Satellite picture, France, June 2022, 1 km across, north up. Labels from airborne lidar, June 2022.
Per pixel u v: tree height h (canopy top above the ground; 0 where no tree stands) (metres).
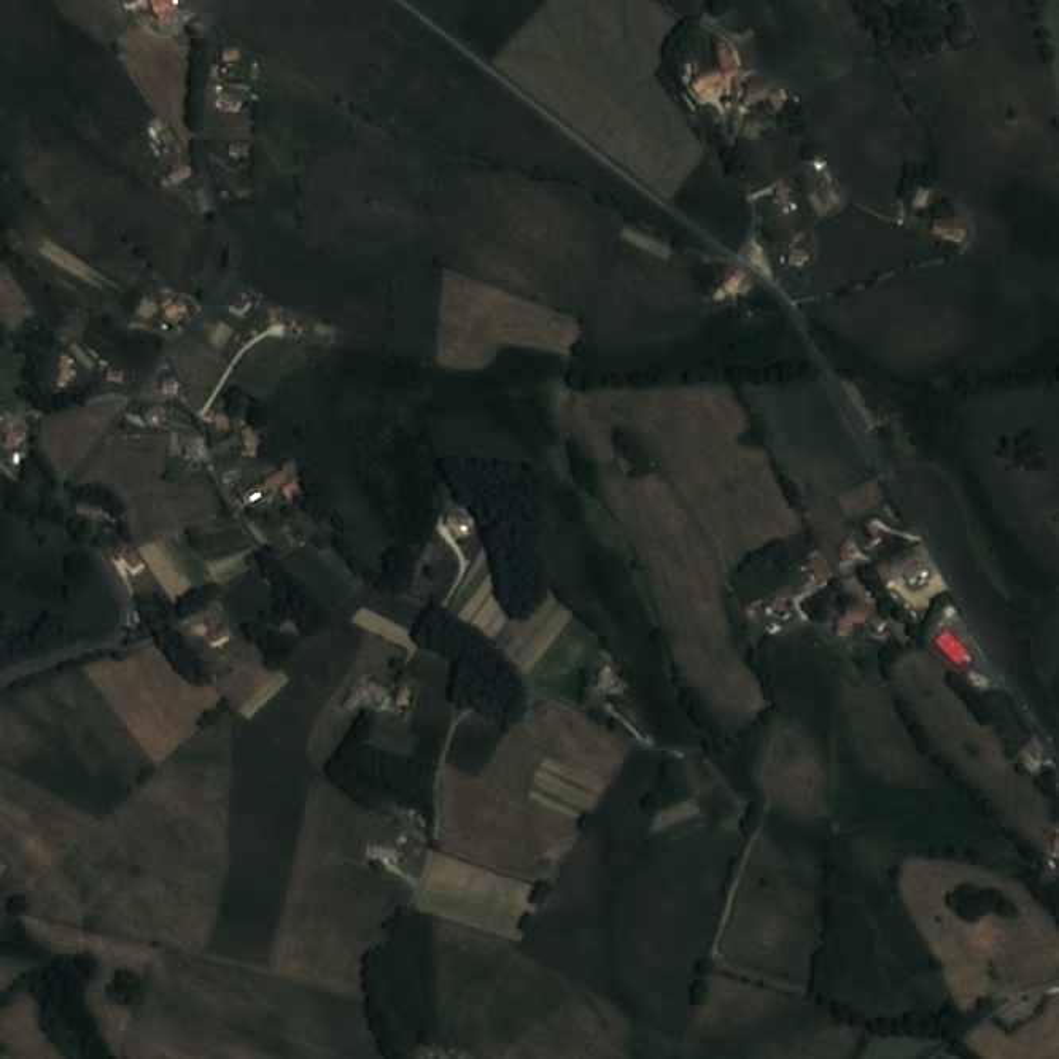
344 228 0
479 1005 0
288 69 0
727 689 0
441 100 0
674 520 0
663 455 0
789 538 0
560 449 0
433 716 0
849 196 0
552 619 0
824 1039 0
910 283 0
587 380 18
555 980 0
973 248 0
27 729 0
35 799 0
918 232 0
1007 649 0
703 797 0
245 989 0
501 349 0
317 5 0
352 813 0
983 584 0
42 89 0
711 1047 0
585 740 0
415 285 0
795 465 0
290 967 0
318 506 22
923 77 0
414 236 0
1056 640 0
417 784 14
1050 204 0
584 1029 0
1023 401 0
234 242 0
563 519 0
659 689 0
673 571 0
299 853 0
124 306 0
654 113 0
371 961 16
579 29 0
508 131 0
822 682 0
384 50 0
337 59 0
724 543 0
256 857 0
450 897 0
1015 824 0
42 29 0
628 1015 0
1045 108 0
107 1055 13
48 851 0
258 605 0
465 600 0
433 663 0
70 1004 13
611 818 0
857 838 0
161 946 8
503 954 0
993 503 0
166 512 0
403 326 0
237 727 0
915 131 0
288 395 0
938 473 0
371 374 0
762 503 0
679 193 0
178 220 0
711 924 0
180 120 0
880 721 0
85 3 0
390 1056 18
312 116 0
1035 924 0
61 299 0
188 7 0
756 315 0
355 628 0
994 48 0
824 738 0
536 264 0
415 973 0
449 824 0
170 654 23
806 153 10
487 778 0
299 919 0
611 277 0
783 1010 0
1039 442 21
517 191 0
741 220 0
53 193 0
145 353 0
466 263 0
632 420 0
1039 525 0
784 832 0
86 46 0
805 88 0
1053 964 0
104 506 14
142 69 0
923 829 0
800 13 0
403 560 28
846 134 0
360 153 0
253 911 0
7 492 6
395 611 0
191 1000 0
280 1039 0
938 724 0
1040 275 0
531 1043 0
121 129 0
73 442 0
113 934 0
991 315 0
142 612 11
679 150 0
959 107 0
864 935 0
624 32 0
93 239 0
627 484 0
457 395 0
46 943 0
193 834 0
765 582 0
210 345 0
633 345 0
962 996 0
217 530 0
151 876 0
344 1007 0
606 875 0
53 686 0
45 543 11
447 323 0
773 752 0
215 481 9
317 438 0
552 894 16
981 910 10
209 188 0
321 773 0
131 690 0
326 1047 0
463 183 0
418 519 6
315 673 0
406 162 0
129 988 12
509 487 35
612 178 0
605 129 0
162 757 0
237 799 0
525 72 0
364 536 0
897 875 14
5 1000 13
